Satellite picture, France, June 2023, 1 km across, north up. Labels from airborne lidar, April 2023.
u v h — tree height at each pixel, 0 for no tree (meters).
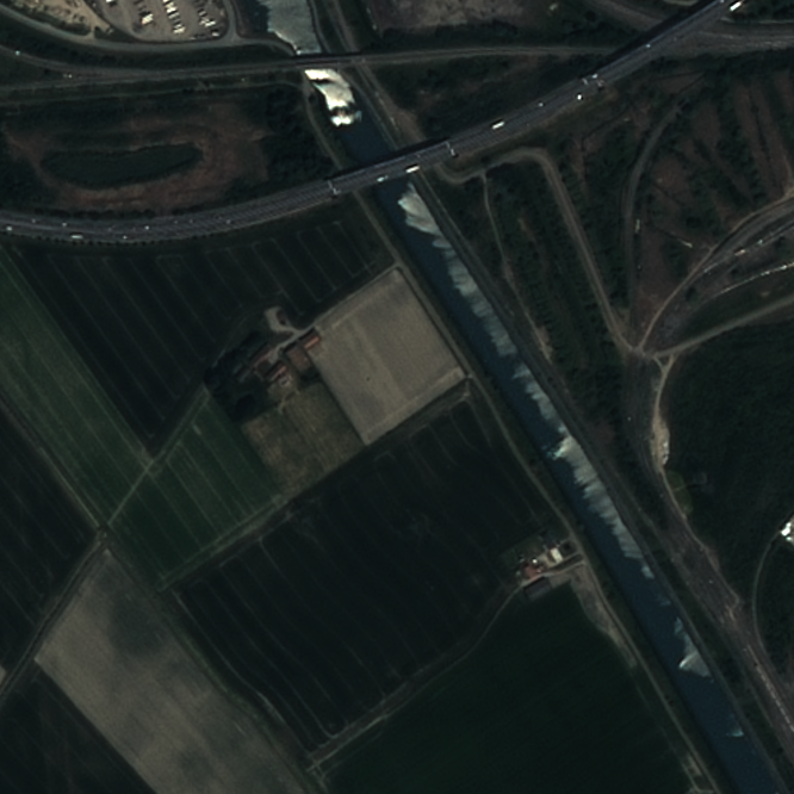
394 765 0
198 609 0
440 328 0
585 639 0
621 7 0
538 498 0
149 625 0
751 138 0
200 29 0
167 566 0
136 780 0
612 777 0
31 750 0
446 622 0
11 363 0
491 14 0
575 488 0
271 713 0
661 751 0
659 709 0
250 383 0
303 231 0
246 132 0
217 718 0
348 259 0
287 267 0
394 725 0
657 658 0
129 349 0
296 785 0
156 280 0
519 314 0
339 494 0
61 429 0
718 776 0
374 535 0
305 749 0
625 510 0
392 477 0
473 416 0
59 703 0
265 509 0
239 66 0
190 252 0
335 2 0
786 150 0
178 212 8
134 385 0
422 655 0
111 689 0
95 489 0
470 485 0
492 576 0
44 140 0
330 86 0
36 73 0
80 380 0
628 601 0
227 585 0
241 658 0
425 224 0
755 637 0
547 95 0
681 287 0
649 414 0
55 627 0
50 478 0
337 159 0
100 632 0
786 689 0
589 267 0
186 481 0
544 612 0
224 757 0
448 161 0
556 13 0
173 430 0
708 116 0
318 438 0
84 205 0
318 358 0
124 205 0
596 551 0
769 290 0
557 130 0
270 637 0
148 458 0
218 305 0
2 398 0
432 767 0
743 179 0
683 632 0
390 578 0
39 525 0
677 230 0
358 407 0
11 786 0
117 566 0
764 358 0
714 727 0
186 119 0
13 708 0
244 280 0
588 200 0
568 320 0
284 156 13
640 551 0
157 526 0
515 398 0
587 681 0
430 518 0
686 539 0
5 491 0
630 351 0
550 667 0
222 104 0
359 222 0
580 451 0
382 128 0
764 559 0
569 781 0
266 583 0
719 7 0
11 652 0
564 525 0
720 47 0
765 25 0
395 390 0
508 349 0
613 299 9
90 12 0
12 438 0
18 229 0
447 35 7
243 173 0
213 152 0
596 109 0
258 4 0
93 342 0
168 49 0
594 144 0
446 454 0
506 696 0
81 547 0
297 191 0
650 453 0
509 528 0
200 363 0
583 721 0
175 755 0
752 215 0
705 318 0
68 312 0
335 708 0
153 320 0
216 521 0
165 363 0
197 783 0
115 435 0
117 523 0
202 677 0
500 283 0
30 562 0
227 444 0
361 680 0
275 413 0
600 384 8
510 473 0
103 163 0
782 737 0
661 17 0
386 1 0
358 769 0
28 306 0
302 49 0
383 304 0
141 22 0
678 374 0
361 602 0
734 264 0
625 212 0
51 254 0
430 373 0
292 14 0
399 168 0
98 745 0
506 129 0
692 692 0
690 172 0
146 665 0
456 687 0
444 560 0
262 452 0
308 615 0
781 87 0
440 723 0
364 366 0
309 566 0
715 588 0
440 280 0
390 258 0
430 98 0
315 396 0
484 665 0
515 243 11
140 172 0
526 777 0
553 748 0
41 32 0
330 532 0
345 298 0
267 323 0
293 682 0
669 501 0
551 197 8
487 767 0
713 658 0
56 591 0
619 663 0
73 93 0
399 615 0
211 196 0
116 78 0
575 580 0
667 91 0
